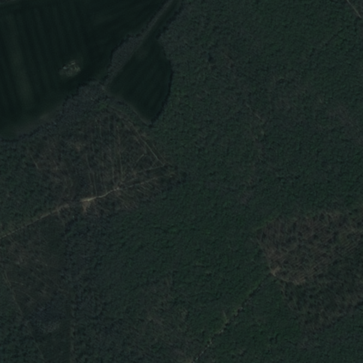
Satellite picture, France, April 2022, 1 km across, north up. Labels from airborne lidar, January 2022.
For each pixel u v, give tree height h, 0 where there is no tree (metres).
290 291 22
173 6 0
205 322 20
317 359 22
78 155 11
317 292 20
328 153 23
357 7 26
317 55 21
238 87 23
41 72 0
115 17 0
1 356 25
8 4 0
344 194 22
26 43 0
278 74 25
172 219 22
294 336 19
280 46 23
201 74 23
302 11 22
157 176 0
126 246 19
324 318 0
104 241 23
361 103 24
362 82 23
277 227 0
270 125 25
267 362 21
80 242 20
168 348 19
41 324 19
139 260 21
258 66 22
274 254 0
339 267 22
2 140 15
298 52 20
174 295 22
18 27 0
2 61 0
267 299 22
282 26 21
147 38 0
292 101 22
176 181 19
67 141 22
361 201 27
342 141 24
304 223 24
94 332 26
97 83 18
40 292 22
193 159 22
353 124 22
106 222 20
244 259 21
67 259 23
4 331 27
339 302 23
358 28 24
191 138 20
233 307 24
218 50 23
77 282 23
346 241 0
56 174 0
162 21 0
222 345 22
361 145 26
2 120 0
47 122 0
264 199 22
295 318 19
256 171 25
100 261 19
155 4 0
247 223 21
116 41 0
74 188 0
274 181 22
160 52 0
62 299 9
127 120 20
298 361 23
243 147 26
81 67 0
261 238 0
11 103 0
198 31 24
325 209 24
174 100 21
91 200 0
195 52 24
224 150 24
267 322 23
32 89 0
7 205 23
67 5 0
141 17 0
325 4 20
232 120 20
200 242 22
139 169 19
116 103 20
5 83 0
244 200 23
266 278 0
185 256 21
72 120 26
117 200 0
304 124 25
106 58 0
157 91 0
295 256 21
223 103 24
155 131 18
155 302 21
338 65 21
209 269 21
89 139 21
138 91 0
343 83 18
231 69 26
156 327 23
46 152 0
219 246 20
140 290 22
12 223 22
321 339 21
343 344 26
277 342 20
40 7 0
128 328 22
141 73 0
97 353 27
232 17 19
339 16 19
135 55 0
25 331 28
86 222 20
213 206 20
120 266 21
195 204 24
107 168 0
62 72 12
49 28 0
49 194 22
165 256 19
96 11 0
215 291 19
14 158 22
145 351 23
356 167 22
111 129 0
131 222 19
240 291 22
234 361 20
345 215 24
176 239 23
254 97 27
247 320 23
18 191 24
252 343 21
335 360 17
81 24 0
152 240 17
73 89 0
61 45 0
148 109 0
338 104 20
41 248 22
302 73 21
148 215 19
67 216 24
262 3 22
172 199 20
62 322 10
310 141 24
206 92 24
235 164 22
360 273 21
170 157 21
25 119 0
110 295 21
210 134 23
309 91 21
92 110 21
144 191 19
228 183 21
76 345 17
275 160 22
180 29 25
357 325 22
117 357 20
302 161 22
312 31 20
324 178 24
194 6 26
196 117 18
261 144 25
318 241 22
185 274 21
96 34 0
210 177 24
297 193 22
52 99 0
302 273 21
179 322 23
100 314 21
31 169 27
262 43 23
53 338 23
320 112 20
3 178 23
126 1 0
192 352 20
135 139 22
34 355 16
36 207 22
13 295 19
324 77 22
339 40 22
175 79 19
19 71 0
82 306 23
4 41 0
